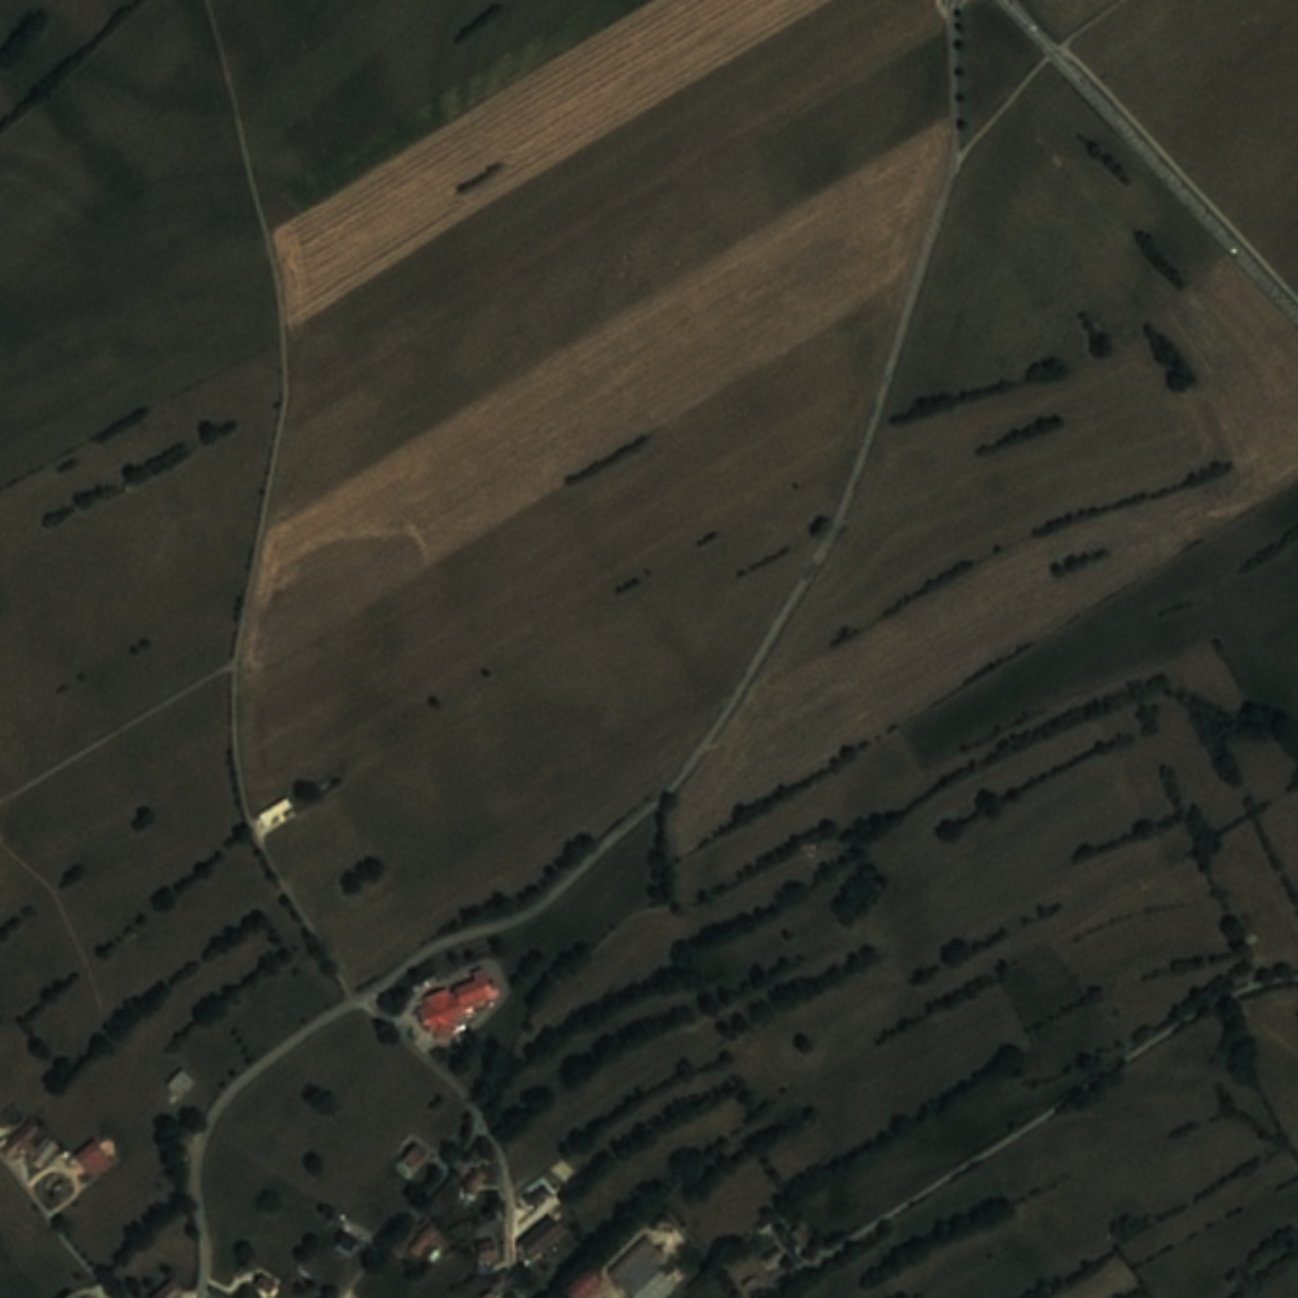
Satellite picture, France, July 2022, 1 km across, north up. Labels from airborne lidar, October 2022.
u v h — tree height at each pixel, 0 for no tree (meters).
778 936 0
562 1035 17
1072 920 0
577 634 0
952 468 0
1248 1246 0
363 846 0
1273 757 0
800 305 0
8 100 0
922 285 0
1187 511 0
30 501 0
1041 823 0
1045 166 0
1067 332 0
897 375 0
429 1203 15
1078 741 0
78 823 0
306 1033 0
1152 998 0
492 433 0
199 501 0
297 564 0
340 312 0
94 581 0
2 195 0
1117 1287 0
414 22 0
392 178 0
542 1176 0
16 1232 0
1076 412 0
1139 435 0
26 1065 0
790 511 0
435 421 0
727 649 0
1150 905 0
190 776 0
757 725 0
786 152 0
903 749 0
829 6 0
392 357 0
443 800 0
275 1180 0
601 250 0
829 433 0
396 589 0
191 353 0
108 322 0
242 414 0
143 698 0
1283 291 0
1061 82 0
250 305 0
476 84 0
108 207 0
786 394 0
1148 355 0
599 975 0
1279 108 0
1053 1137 0
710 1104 12
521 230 0
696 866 0
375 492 0
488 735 0
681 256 0
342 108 0
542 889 10
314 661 0
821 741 0
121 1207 0
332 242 0
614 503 0
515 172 0
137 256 0
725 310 0
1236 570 0
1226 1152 0
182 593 0
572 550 0
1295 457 0
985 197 0
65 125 0
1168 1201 0
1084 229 0
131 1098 0
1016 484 0
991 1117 0
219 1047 0
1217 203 0
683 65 0
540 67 0
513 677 0
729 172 0
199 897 0
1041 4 0
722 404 0
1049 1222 0
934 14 0
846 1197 0
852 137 0
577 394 0
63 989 13
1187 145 0
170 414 0
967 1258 0
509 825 0
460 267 0
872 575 0
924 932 0
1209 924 0
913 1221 0
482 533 0
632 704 0
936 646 0
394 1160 0
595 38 0
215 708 0
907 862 0
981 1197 0
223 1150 0
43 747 0
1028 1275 0
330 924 0
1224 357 0
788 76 0
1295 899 9
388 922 0
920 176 0
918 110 0
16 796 0
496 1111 15
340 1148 0
